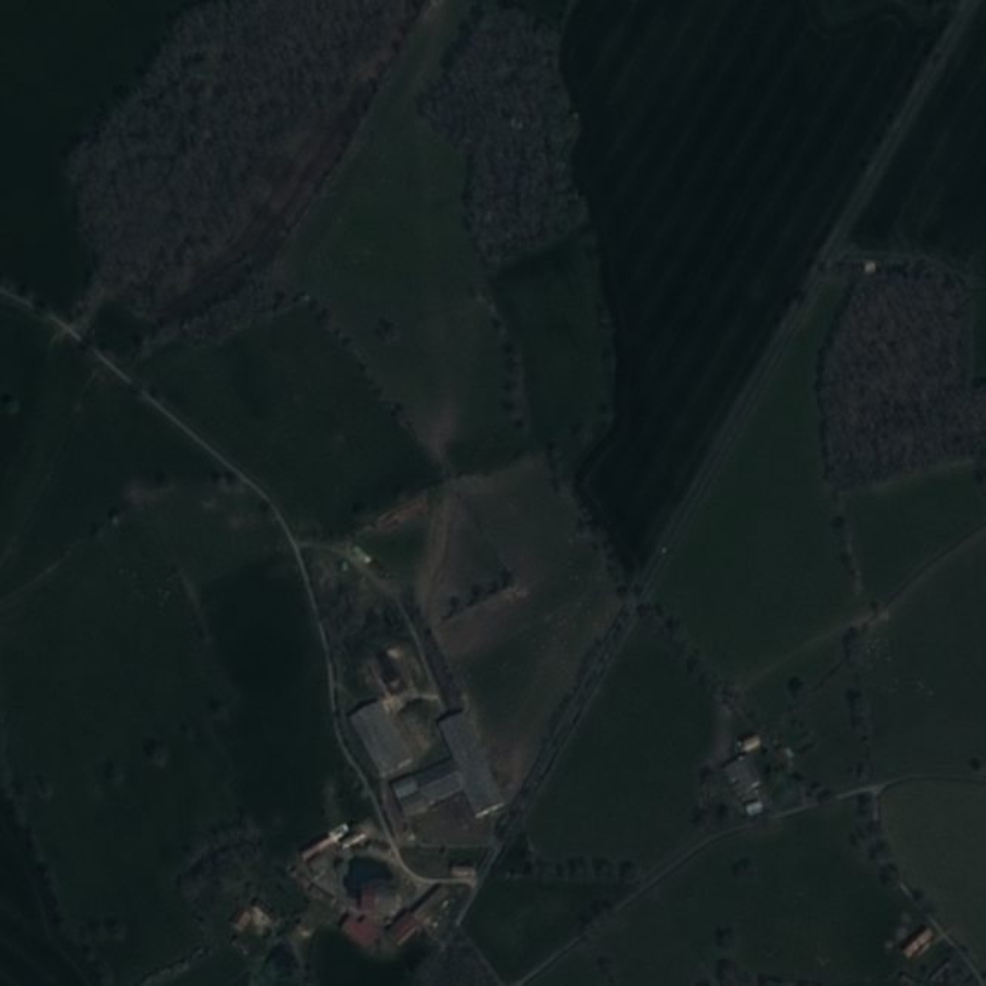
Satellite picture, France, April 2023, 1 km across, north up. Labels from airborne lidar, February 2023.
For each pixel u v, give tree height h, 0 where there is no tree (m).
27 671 0
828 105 0
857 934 0
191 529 0
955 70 0
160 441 0
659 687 0
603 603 0
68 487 0
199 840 0
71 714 0
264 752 0
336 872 8
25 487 0
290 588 0
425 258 0
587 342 0
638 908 0
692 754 0
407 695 0
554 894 0
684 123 0
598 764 0
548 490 0
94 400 0
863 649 12
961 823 0
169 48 15
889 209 0
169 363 0
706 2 0
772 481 0
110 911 0
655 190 0
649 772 0
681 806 0
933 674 0
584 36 0
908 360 21
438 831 0
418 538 0
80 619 0
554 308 0
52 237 0
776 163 0
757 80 0
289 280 0
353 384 0
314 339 0
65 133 0
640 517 0
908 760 0
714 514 0
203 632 11
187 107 10
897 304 18
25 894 0
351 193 0
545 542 0
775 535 0
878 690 0
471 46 23
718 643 0
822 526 0
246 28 23
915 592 0
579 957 0
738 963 0
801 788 13
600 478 0
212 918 0
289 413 0
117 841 0
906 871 0
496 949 0
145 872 0
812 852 0
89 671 0
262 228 0
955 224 0
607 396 0
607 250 0
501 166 23
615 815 0
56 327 0
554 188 21
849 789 0
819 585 0
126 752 0
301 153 0
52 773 0
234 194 23
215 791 0
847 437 20
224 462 0
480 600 15
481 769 0
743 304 0
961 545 0
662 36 0
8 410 13
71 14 0
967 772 0
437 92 16
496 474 0
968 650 0
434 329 0
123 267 24
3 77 0
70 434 0
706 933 0
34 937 0
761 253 0
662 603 0
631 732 0
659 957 0
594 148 0
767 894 0
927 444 21
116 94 0
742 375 0
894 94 0
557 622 0
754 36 0
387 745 0
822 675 0
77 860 0
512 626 0
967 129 0
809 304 17
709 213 0
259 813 0
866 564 0
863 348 20
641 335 0
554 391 0
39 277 0
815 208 0
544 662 0
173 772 0
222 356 0
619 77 0
